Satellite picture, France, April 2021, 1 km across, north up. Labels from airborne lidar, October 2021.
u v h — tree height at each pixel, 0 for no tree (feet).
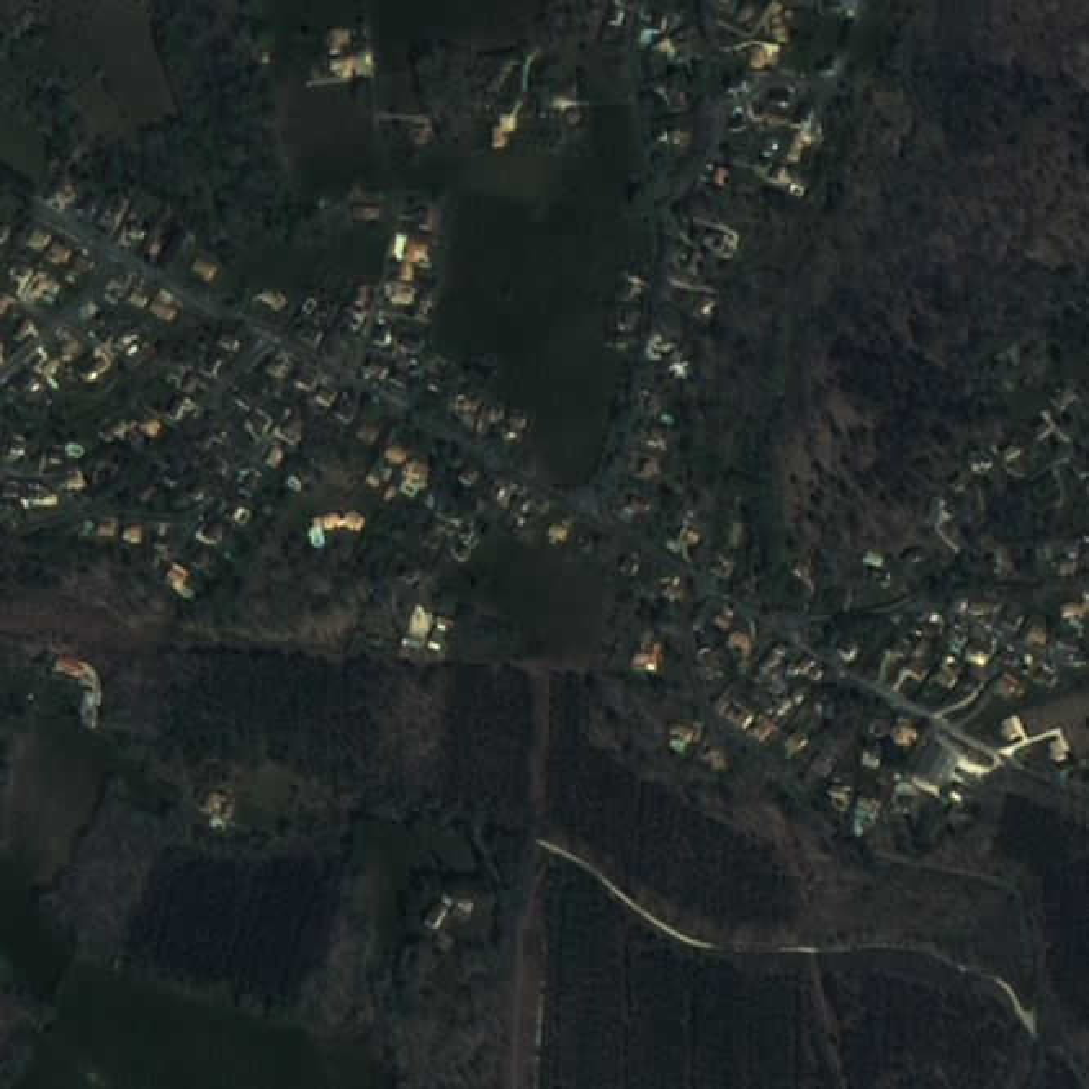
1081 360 75
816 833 50
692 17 0
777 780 0
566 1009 31
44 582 86
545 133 22
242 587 56
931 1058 38
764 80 0
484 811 30
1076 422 43
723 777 22
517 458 59
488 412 0
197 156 78
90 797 0
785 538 30
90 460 31
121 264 0
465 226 0
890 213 53
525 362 0
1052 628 18
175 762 65
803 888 32
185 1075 0
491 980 49
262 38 65
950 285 51
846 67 0
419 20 0
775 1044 34
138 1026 0
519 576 0
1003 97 60
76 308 0
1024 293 65
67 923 55
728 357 57
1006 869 34
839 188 39
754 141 0
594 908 41
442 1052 43
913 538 47
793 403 37
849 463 34
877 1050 47
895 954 36
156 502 36
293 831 54
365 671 63
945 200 51
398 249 0
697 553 50
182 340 0
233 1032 0
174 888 26
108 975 0
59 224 0
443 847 0
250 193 43
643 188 34
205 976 40
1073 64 27
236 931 41
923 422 83
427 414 71
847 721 43
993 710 0
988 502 0
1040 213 42
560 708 39
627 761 39
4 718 38
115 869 62
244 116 81
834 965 44
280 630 64
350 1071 0
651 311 44
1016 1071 41
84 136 66
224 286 0
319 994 56
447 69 58
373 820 56
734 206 52
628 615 42
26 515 29
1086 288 29
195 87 63
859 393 77
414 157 32
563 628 0
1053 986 34
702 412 49
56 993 21
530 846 63
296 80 0
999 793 59
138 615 75
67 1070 0
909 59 57
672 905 42
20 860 0
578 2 44
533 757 21
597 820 45
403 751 42
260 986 40
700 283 48
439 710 31
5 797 25
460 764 47
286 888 38
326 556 39
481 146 0
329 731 81
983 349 61
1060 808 55
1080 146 54
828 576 37
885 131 43
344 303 36
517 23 0
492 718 46
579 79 21
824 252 53
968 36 44
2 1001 46
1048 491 35
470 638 62
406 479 0
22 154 0
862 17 0
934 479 43
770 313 68
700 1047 47
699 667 31
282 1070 0
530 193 0
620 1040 33
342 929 60
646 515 40
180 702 77
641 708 56
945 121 63
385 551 57
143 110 0
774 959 47
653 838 49
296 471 60
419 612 0
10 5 25
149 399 0
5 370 0
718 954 33
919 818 26
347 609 66
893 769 62
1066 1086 62
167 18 51
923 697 21
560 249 0
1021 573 36
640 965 42
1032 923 21
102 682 18
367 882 62
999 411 62
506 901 54
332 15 0
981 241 46
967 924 43
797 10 17
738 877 46
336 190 0
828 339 70
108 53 0
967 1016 44
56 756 0
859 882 22
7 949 0
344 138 0
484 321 0
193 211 57
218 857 64
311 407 25
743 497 42
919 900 26
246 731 61
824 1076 43
